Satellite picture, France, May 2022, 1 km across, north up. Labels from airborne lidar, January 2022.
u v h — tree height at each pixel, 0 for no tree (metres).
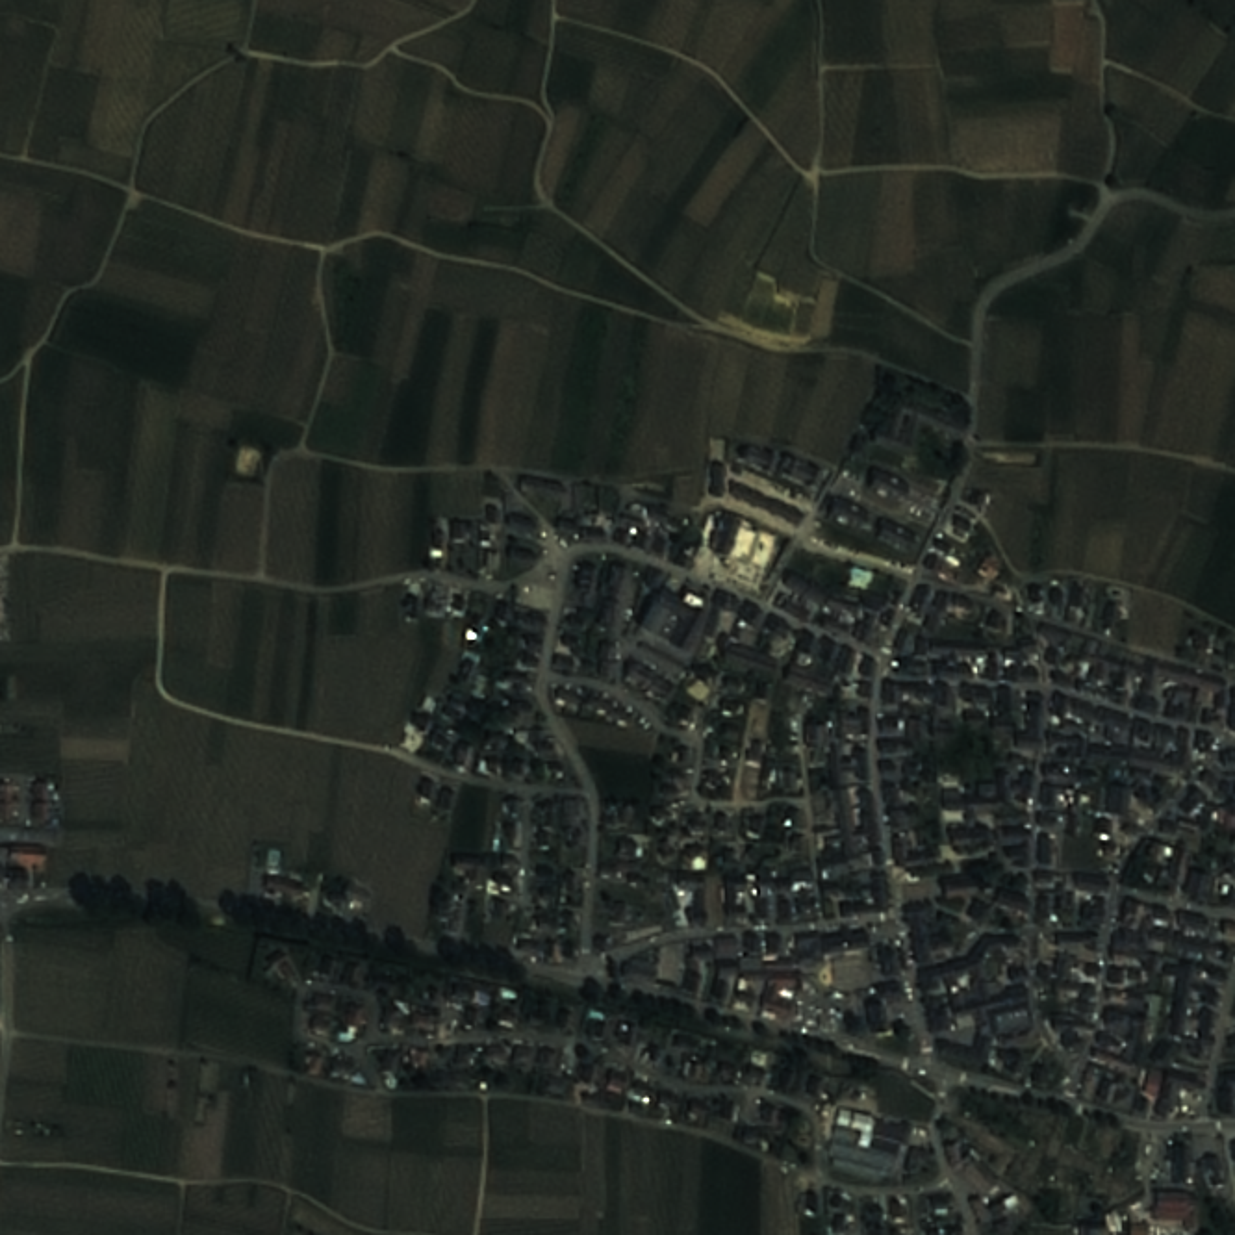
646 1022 7
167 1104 0
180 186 0
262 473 0
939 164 0
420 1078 10
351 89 0
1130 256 0
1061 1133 0
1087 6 0
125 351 0
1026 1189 0
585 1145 0
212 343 0
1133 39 0
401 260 0
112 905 28
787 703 0
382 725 0
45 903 0
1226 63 0
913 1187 0
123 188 0
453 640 0
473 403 0
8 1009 0
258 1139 0
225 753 0
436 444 0
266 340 0
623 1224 0
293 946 8
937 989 0
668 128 0
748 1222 0
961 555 0
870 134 0
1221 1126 0
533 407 0
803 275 0
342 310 0
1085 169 0
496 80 0
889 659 0
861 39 0
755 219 0
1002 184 0
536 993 6
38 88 0
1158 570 0
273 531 0
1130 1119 0
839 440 0
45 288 0
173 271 0
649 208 0
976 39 0
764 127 0
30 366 0
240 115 0
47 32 0
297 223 0
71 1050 0
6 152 0
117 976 0
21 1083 0
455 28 0
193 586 0
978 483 0
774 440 0
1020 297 0
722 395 0
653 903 0
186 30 0
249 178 0
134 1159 0
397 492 0
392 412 0
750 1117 0
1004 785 0
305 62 0
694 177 0
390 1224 0
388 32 0
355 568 0
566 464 0
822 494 0
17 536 0
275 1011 0
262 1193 0
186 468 0
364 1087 0
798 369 0
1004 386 0
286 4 0
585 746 0
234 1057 0
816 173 0
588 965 0
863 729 0
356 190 0
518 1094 0
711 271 0
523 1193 0
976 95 0
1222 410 0
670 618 0
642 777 0
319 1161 0
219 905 0
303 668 0
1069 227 0
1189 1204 0
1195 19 0
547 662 0
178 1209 0
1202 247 0
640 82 0
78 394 0
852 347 0
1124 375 0
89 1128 0
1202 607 0
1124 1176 0
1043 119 0
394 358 0
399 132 0
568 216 0
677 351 0
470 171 0
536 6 0
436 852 0
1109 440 0
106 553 0
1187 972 0
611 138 0
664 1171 0
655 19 0
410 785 0
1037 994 0
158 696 0
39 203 0
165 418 0
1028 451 0
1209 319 0
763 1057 0
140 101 0
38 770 0
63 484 0
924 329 0
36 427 0
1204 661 0
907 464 0
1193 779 0
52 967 0
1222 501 0
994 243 0
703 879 0
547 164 0
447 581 0
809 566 0
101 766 0
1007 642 0
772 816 6
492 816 0
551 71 0
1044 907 0
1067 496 0
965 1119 0
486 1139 0
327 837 0
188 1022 0
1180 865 0
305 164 0
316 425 0
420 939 0
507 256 0
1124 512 0
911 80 0
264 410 0
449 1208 0
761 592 0
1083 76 0
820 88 0
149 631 0
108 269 0
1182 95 0
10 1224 0
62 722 0
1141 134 0
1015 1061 0
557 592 0
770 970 0
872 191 0
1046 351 0
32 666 0
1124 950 0
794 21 0
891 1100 0
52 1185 0
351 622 0
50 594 0
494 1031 9
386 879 0
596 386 0
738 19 0
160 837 0
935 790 0
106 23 0
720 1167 0
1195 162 0
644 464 0
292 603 0
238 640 0
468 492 0
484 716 16
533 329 0
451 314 0
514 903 0
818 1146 0
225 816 0
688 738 0
